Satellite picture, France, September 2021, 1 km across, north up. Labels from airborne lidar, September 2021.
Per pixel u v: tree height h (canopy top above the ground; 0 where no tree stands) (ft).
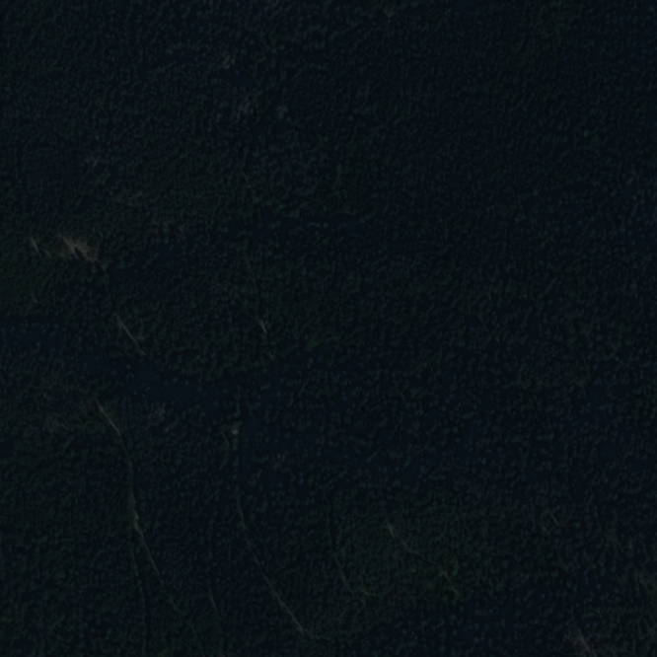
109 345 92
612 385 90
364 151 72
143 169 67
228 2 92
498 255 57
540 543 85
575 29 61
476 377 69
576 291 55
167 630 65
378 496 83
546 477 52
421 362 97
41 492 84
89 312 104
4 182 86
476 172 61
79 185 69
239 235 80
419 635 55
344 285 87
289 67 47
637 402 59
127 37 51
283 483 49
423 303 38
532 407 37
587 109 76
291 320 60
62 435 53
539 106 61
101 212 71
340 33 62
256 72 53
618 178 49
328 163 40
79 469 84
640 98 56
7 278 71
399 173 66
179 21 55
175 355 71
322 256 83
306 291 59
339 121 53
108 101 67
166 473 61
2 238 65
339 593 76
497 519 47
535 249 58
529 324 42
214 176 56
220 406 85
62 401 21
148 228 93
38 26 83
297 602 60
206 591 71
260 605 68
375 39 72
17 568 103
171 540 88
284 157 64
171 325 58
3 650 54
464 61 63
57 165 73
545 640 25
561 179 52
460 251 62
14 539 98
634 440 80
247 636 92
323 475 63
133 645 75
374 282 79
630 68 73
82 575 64
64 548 93
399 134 58
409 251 66
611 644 67
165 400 51
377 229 41
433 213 71
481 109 57
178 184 66
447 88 58
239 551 94
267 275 74
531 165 56
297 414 55
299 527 66
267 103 56
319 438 107
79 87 52
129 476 81
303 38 106
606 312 31
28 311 86
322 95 52
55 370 67
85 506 65
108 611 82
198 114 65
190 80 96
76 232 72
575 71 74
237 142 80
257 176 63
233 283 48
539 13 47
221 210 51
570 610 43
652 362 54
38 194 95
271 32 91
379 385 61
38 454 91
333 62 66
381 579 66
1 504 85
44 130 65
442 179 54
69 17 77
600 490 33
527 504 81
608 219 57
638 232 73
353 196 55
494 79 68
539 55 57
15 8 97
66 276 69
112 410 60
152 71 69
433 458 33
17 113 88
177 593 92
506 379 73
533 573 73
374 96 68
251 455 68
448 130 68
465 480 104
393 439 28
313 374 117
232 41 34
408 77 50
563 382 91
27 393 61
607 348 72
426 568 55
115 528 76
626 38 85
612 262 34
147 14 69
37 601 77
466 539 68
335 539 81
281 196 52
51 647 76
